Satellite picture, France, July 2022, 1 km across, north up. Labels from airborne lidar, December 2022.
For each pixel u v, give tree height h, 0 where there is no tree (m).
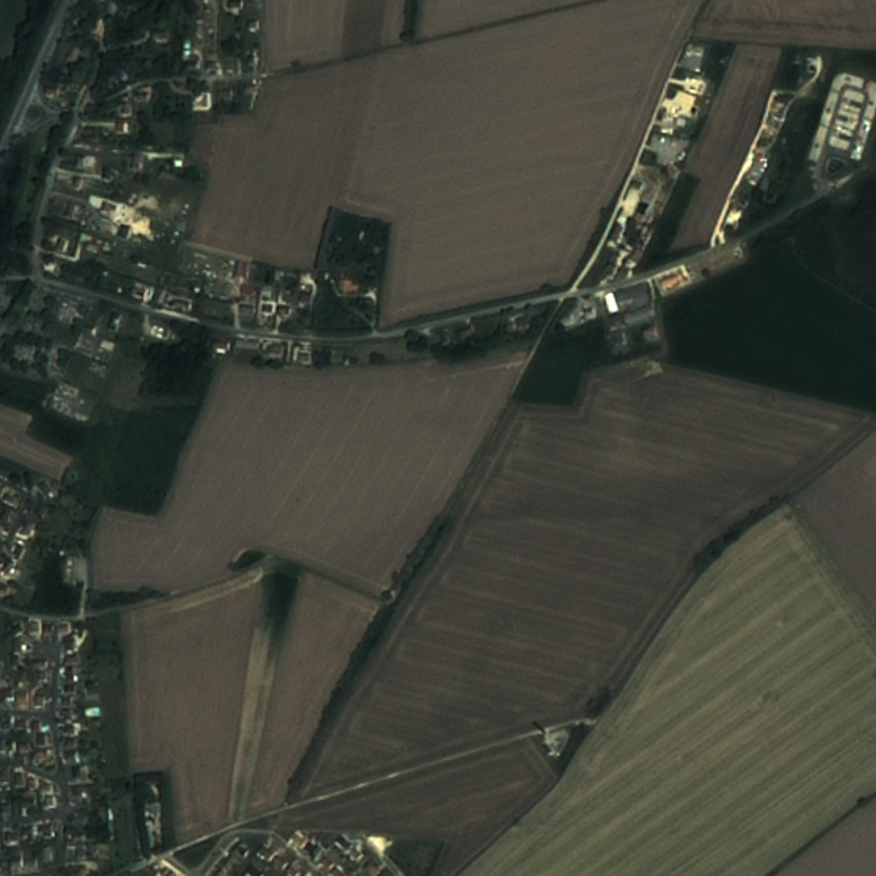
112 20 15
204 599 0
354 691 0
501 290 0
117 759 0
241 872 0
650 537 0
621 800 0
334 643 0
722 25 0
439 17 0
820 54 0
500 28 0
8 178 20
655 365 0
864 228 0
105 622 0
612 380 0
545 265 0
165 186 0
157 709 0
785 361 0
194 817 0
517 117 0
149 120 8
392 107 0
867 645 0
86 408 0
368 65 0
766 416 0
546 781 0
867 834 0
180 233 0
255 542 0
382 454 0
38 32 15
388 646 0
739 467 0
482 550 0
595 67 0
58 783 0
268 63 0
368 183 0
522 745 0
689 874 0
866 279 0
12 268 31
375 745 0
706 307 0
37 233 0
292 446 0
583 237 0
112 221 0
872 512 0
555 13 0
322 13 0
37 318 12
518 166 0
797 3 0
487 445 0
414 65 0
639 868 0
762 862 0
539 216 0
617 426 0
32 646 0
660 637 0
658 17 0
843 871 0
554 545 0
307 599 0
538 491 0
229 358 0
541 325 8
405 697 0
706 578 0
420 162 0
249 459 0
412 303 0
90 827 10
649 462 0
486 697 0
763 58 0
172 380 10
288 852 0
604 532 0
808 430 0
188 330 10
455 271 0
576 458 0
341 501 0
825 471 0
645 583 0
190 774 0
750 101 0
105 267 7
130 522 0
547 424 0
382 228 13
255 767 0
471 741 0
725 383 0
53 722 0
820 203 5
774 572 0
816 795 0
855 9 0
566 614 0
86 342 0
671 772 0
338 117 0
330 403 0
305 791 0
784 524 0
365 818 0
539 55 0
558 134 0
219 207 0
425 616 0
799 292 0
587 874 0
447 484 0
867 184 0
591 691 0
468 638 0
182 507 0
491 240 0
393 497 0
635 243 12
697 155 0
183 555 0
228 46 14
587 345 5
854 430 0
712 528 0
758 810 0
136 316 8
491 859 0
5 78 32
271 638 0
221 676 0
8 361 12
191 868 0
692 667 0
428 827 0
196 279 0
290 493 0
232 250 0
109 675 0
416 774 0
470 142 0
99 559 0
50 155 13
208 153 0
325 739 0
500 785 0
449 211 0
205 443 0
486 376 0
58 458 0
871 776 0
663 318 0
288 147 0
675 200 0
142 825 15
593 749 0
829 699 0
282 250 0
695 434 0
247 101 0
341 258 12
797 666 0
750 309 0
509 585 0
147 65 14
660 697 0
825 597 0
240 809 0
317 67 0
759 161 0
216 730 0
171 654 0
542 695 0
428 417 0
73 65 9
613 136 0
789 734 0
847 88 0
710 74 0
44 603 10
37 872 0
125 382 0
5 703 7
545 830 0
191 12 8
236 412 0
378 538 0
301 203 0
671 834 0
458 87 0
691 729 0
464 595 0
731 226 6
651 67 0
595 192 0
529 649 0
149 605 0
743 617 0
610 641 0
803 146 6
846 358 0
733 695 0
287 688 0
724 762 0
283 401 0
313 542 0
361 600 0
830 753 0
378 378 0
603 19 0
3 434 0
